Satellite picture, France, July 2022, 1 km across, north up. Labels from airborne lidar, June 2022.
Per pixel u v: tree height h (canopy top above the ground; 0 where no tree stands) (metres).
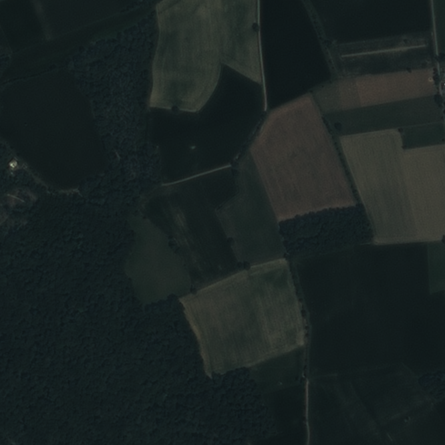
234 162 16
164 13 0
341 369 0
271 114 0
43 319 22
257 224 0
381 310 0
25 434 22
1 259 27
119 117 21
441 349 0
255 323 0
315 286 0
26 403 16
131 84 23
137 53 25
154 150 19
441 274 0
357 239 31
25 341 21
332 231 29
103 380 22
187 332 24
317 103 0
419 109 0
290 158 0
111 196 23
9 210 25
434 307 0
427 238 0
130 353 24
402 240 0
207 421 22
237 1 0
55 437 21
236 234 0
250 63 0
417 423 0
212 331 0
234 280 0
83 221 26
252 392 21
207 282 0
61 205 13
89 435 20
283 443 0
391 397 0
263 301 0
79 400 22
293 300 0
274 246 0
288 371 0
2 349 22
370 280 0
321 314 0
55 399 19
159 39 0
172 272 0
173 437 21
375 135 0
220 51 0
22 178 21
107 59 23
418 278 0
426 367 0
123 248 25
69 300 26
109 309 25
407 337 0
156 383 29
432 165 0
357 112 0
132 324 25
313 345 0
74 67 13
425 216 0
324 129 0
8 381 20
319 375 0
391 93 0
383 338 0
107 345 23
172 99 0
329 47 11
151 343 26
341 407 0
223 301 0
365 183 0
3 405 22
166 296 0
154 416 22
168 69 0
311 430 0
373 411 0
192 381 21
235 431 27
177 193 0
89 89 25
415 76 0
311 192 0
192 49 0
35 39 0
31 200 17
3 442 21
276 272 0
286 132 0
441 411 0
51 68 15
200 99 0
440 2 0
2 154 23
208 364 0
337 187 0
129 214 11
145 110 19
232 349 0
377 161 0
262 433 22
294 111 0
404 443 0
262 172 0
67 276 27
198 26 0
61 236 12
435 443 0
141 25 19
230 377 20
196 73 0
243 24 0
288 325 0
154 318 23
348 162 0
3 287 26
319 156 0
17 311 27
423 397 0
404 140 0
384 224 0
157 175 23
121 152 24
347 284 0
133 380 22
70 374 23
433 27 0
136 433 19
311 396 0
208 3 0
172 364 30
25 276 22
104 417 23
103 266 26
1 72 24
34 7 0
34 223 14
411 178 0
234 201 0
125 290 18
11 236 19
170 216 0
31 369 23
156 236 0
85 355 19
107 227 24
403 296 0
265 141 0
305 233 26
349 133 0
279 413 0
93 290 25
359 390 0
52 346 19
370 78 0
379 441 0
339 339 0
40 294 31
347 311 0
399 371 0
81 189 17
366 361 0
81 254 27
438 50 0
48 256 26
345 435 0
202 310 0
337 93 0
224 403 27
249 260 0
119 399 27
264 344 0
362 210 25
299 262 0
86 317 25
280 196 0
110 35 0
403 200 0
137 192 16
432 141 0
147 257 0
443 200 0
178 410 21
